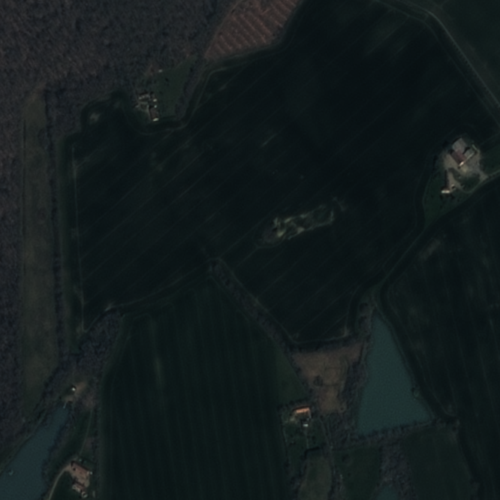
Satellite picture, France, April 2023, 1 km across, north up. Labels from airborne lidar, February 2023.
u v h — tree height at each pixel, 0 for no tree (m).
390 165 0
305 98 0
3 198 22
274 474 0
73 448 0
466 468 0
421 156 0
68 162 0
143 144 0
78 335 0
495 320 0
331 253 0
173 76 0
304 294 0
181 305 0
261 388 0
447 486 0
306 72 0
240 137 0
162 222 0
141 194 0
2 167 22
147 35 22
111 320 21
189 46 26
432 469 0
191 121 0
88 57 23
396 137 0
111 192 0
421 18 0
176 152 0
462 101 0
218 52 20
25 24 25
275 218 0
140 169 0
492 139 0
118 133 0
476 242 0
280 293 0
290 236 0
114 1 17
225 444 0
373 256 0
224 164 0
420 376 0
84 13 22
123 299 0
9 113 19
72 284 0
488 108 0
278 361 0
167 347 0
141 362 0
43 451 0
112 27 22
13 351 19
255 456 0
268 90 0
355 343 19
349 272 0
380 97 0
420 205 0
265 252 0
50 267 0
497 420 0
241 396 0
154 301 0
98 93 17
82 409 16
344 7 0
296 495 15
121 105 0
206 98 0
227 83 0
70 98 19
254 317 13
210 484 0
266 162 0
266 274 0
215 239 0
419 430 15
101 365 17
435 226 0
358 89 0
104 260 0
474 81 0
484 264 0
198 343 0
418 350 0
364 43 0
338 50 0
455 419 0
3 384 19
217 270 18
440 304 0
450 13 0
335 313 0
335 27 0
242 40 22
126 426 0
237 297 13
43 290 0
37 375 0
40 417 8
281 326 0
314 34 0
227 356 0
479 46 0
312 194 0
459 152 0
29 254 0
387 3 0
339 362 0
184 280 0
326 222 0
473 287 0
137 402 0
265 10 25
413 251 0
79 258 0
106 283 0
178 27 20
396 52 0
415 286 0
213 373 0
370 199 0
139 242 0
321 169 0
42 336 0
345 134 0
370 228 0
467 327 0
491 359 0
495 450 0
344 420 7
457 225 0
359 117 0
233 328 0
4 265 20
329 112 0
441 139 0
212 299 0
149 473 0
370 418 0
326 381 0
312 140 0
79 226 0
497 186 0
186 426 0
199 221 0
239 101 0
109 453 0
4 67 22
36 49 23
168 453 0
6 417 18
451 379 0
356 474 0
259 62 0
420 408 0
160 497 0
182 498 0
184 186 0
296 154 0
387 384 0
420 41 0
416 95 0
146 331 0
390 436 20
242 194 0
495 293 0
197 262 0
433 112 0
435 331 0
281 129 0
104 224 0
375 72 0
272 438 0
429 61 0
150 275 0
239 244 0
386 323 0
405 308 0
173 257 0
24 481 0
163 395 0
